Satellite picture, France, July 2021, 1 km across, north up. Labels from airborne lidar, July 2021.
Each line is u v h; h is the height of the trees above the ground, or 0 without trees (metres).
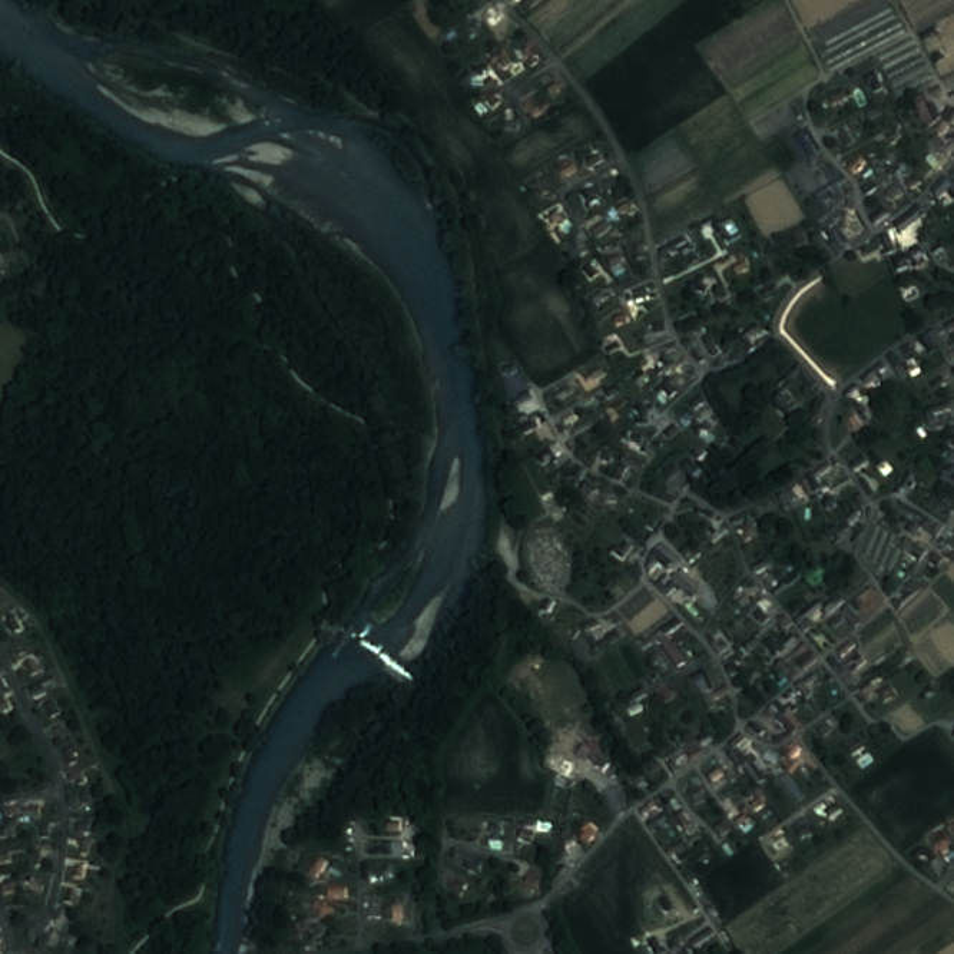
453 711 28
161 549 17
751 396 20
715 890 0
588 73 0
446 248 20
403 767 24
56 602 10
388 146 9
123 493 12
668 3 0
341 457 8
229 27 26
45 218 17
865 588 0
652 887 0
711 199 0
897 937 0
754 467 20
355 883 0
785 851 0
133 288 27
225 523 11
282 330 16
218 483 10
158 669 27
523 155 0
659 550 0
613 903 0
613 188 10
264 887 27
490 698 0
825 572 5
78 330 7
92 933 0
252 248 11
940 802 0
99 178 17
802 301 0
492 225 0
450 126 0
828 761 13
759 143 0
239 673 0
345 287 9
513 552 0
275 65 24
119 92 0
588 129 0
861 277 0
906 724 0
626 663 0
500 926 0
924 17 0
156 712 25
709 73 0
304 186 0
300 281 11
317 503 22
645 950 0
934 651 0
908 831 0
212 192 16
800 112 0
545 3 0
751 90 0
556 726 0
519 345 0
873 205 12
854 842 0
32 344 7
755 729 0
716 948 15
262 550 17
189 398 19
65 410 24
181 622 16
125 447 9
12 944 0
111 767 0
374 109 8
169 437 7
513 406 5
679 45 0
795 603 7
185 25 27
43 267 16
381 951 17
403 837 0
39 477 18
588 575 11
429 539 0
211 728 14
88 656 20
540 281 0
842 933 0
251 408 21
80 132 21
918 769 0
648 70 0
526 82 0
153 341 6
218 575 17
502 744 0
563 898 0
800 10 0
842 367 0
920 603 0
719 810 7
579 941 0
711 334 10
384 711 22
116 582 6
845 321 0
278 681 0
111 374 17
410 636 0
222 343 17
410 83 0
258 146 0
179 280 20
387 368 9
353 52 21
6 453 31
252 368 8
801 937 0
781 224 0
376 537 15
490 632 28
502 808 0
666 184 0
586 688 16
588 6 0
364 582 27
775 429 0
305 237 14
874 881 0
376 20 0
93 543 13
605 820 0
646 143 0
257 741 24
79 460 26
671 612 0
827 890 0
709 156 0
